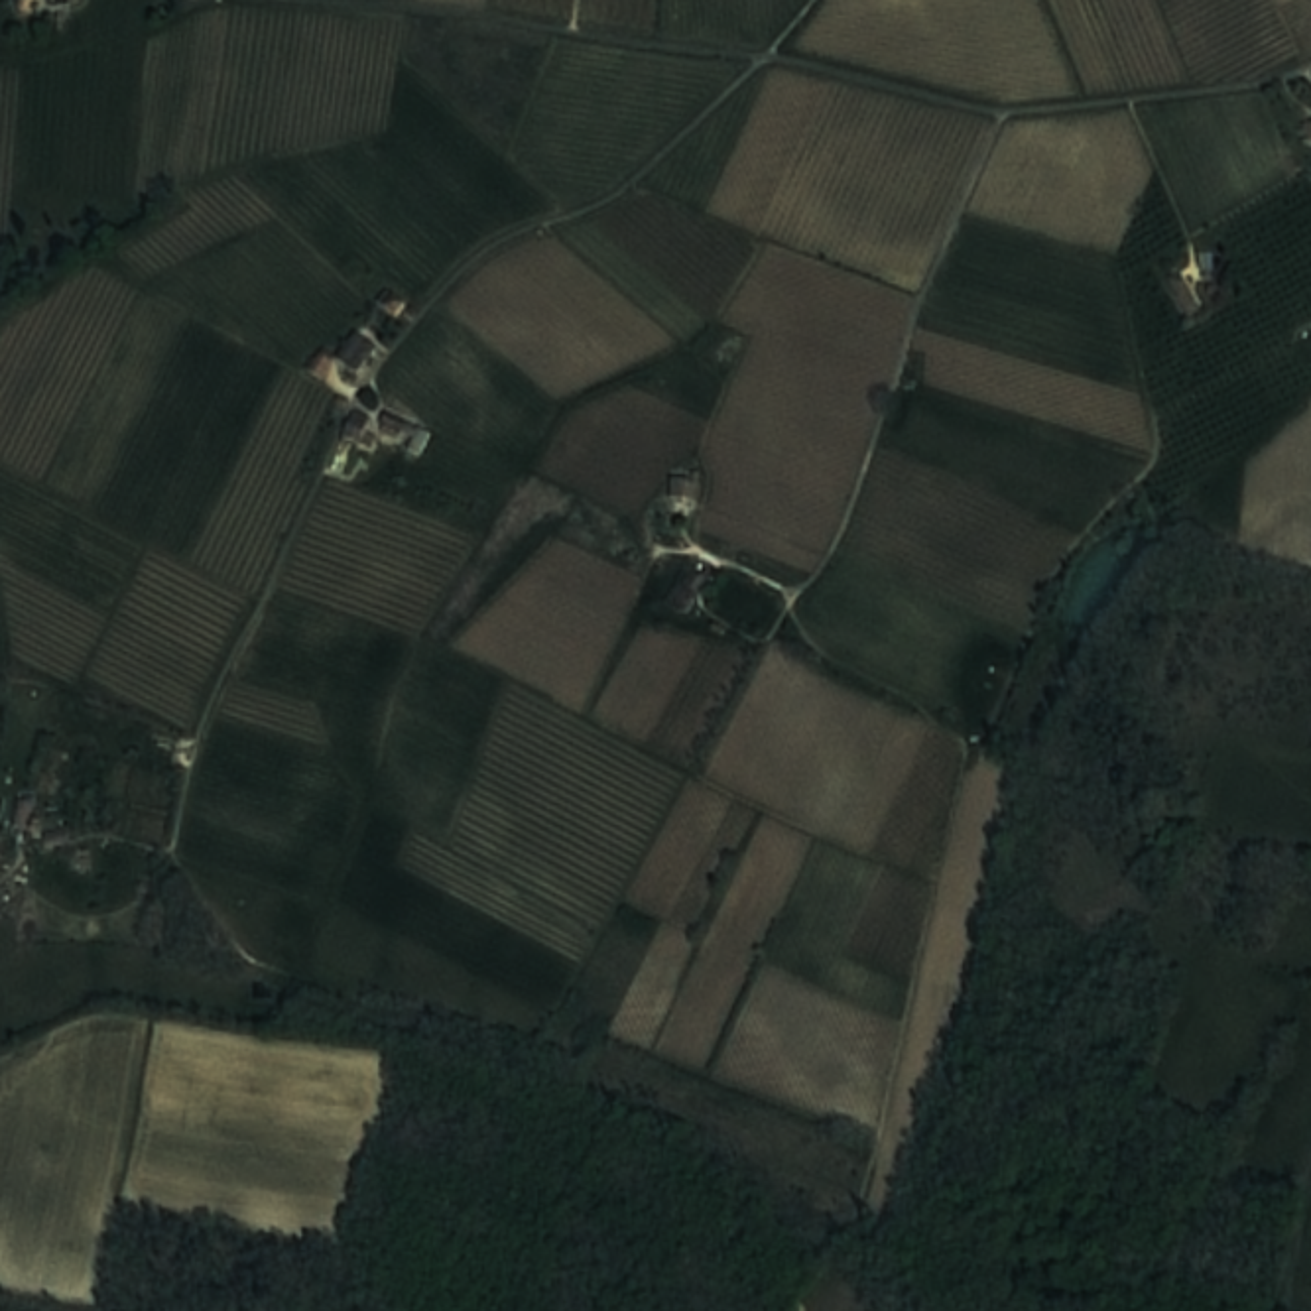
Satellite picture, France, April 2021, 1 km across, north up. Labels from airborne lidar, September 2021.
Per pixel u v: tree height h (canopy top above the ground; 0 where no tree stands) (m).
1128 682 16
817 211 0
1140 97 0
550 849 0
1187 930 0
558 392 0
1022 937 19
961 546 0
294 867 0
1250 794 0
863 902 0
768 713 0
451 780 0
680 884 0
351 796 0
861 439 0
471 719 0
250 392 0
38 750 6
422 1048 18
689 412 0
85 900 0
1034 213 0
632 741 0
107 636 0
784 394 0
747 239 0
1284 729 0
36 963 0
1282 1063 21
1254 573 19
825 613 0
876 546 0
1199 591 17
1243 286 6
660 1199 21
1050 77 0
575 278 0
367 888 0
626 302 0
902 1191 15
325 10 0
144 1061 0
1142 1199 22
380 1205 21
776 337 0
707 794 0
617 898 0
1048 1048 20
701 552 0
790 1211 13
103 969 0
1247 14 0
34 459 0
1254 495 0
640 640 0
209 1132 0
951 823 0
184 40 0
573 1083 23
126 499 0
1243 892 15
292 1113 0
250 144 0
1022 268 0
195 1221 8
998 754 18
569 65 0
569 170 0
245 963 9
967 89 0
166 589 0
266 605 0
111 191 0
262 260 0
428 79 0
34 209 0
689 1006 0
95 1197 0
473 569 0
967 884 0
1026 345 0
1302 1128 0
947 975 0
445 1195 18
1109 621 24
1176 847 14
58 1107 0
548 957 0
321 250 0
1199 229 0
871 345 0
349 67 0
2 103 0
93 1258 0
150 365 0
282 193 0
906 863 0
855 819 0
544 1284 24
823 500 0
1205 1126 22
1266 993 0
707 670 0
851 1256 17
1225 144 0
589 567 0
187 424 0
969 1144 21
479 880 0
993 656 0
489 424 0
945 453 0
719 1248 18
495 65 0
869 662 0
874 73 0
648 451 0
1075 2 0
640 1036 0
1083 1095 26
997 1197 23
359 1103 0
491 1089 16
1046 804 11
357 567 0
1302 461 0
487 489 0
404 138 0
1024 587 0
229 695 0
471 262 0
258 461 0
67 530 0
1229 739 0
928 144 0
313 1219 0
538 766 0
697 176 0
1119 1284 27
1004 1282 17
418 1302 19
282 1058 0
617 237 0
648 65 0
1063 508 0
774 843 0
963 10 0
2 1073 0
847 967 0
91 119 0
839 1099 0
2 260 20
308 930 0
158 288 0
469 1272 20
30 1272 0
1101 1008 13
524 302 0
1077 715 19
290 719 0
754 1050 0
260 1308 18
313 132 0
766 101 0
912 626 0
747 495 0
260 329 0
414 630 0
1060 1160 25
